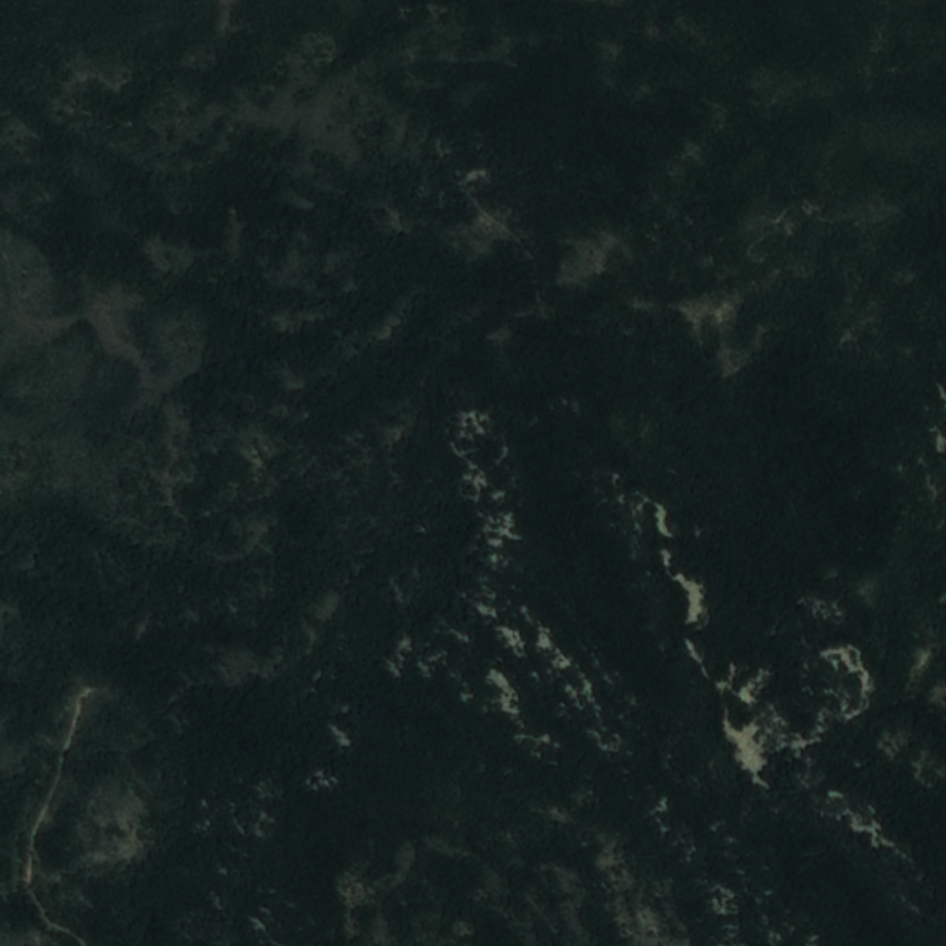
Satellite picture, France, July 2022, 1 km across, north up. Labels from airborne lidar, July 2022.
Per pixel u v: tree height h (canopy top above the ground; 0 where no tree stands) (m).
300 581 7
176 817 6
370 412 6
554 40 6
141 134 5
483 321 6
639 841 9
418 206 5
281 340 10
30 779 6
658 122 8
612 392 7
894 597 6
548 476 9
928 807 12
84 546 8
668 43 8
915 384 10
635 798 6
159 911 7
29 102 6
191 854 8
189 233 8
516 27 6
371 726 7
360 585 10
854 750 11
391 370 6
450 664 6
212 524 8
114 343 0
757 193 6
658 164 7
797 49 9
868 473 7
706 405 9
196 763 7
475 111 7
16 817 7
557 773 8
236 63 9
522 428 7
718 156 7
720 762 12
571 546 7
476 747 7
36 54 7
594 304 9
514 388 8
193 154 7
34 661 10
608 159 6
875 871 7
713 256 6
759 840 8
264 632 5
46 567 9
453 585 7
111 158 10
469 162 6
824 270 7
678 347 7
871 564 7
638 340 7
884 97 8
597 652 6
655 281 6
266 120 0
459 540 7
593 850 6
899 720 6
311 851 10
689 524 9
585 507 9
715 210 8
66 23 6
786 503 5
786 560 8
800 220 8
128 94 8
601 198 7
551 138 7
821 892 7
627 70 6
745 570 10
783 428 11
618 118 9
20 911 8
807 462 9
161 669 6
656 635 6
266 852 8
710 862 6
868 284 6
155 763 6
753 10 8
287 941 6
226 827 8
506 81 6
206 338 6
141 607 6
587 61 8
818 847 11
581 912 7
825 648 8
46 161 8
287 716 9
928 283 10
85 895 5
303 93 6
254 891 6
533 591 7
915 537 9
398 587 6
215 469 8
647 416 5
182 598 7
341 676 7
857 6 6
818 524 7
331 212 9
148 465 7
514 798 6
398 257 9
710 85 10
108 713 6
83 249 6
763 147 8
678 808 7
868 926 8
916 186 6
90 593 7
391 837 6
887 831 9
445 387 7
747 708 10
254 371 8
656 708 6
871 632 9
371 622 8
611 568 8
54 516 10
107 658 9
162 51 8
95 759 6
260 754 11
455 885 6
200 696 9
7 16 7
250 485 7
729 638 10
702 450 8
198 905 8
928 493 7
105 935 8
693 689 8
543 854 9
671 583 18
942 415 9
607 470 9
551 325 8
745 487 8
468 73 8
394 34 7
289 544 11
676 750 6
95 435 5
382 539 8
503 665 6
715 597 13
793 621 10
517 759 10
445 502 8
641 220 5
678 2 6
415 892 6
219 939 5
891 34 7
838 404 7
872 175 6
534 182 8
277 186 7
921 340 9
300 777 8
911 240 11
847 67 7
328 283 7
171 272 6
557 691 6
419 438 7
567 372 5
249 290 14
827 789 8
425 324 7
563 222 6
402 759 10
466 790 8
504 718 6
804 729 7
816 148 5
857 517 9
